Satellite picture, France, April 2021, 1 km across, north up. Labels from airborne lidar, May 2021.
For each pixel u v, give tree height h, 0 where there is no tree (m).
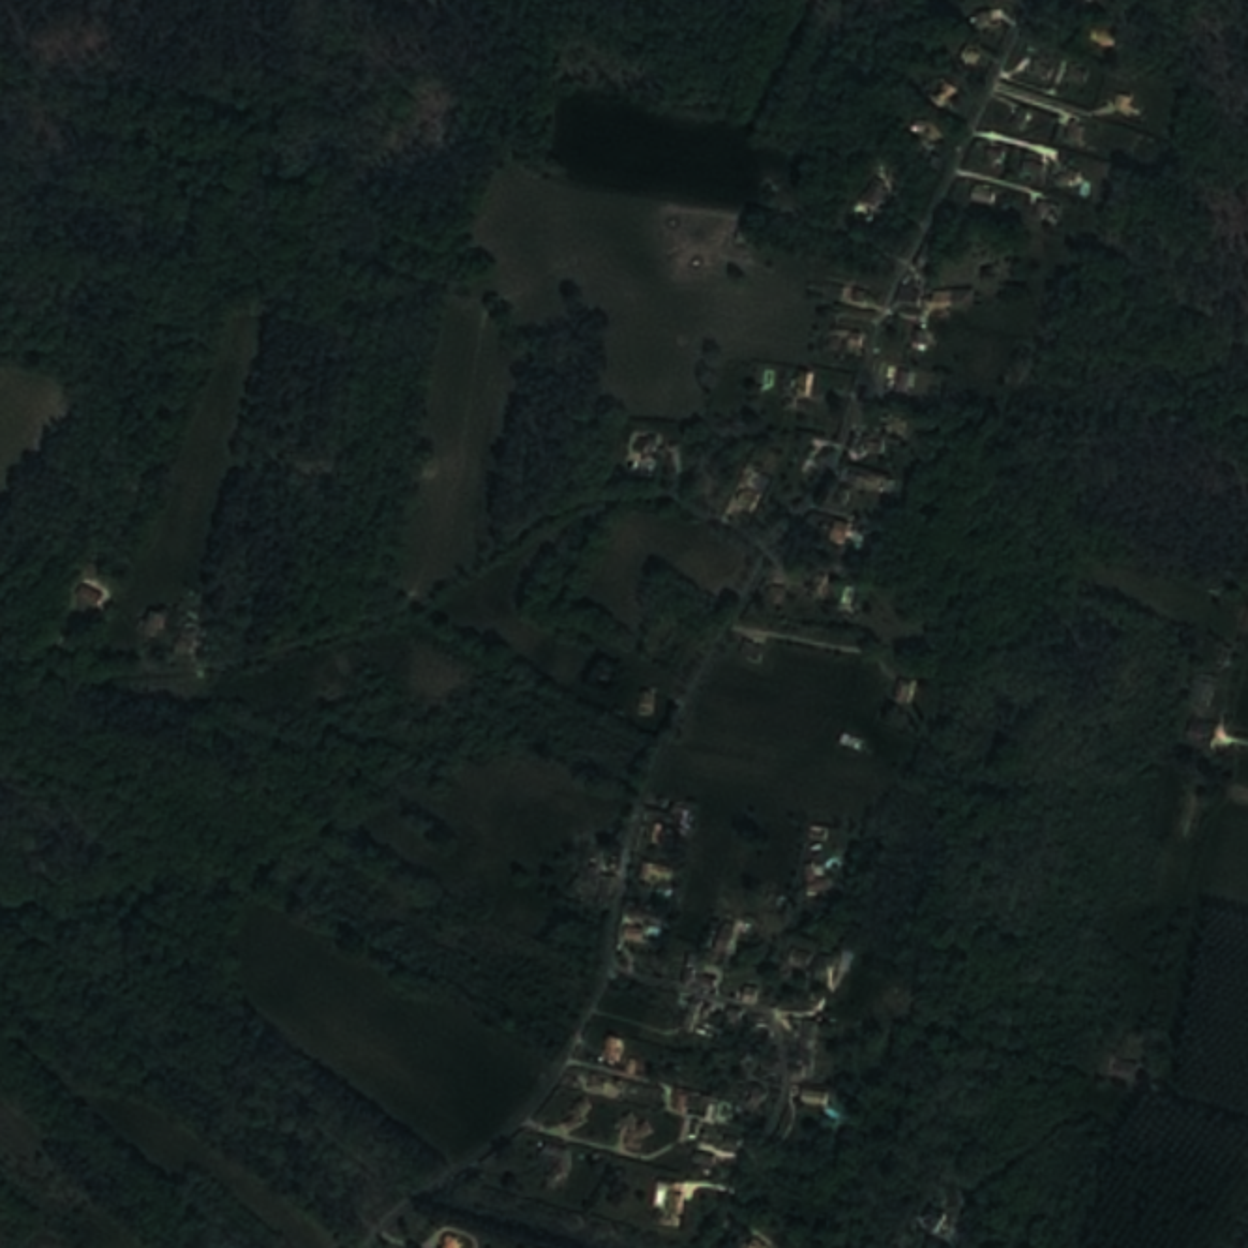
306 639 12
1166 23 21
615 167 0
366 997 0
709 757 0
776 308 0
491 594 0
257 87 12
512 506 17
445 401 0
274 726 12
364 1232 13
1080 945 12
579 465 20
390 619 17
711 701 0
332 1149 17
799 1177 9
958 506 23
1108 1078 6
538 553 0
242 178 21
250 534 16
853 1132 10
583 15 21
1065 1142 11
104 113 28
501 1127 0
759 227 15
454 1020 0
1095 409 11
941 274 11
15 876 23
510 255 0
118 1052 26
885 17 7
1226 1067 23
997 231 21
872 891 23
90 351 14
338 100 15
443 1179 15
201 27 20
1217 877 0
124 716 19
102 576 12
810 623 7
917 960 18
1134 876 8
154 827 17
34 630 23
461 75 22
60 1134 18
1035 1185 12
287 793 20
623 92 12
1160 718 7
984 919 20
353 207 17
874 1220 18
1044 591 26
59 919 28
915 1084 16
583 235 0
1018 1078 18
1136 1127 18
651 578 13
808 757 0
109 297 13
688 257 0
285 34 21
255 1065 21
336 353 16
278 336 14
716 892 0
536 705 9
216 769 14
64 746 20
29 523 14
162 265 15
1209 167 14
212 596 7
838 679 0
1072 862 7
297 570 19
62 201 19
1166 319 22
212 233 20
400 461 15
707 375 15
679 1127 8
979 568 23
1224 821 0
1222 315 21
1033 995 7
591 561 18
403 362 18
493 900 9
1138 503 19
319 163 22
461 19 25
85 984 15
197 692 0
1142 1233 23
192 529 0
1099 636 29
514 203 0
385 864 22
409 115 7
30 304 16
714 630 16
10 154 15
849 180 17
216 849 22
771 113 21
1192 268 15
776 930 0
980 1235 17
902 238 19
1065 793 12
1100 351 23
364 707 15
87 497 17
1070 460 18
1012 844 21
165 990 21
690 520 8
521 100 20
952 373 10
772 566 12
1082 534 24
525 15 24
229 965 19
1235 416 23
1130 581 0
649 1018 0
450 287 10
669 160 0
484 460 0
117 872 24
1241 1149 28
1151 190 22
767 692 0
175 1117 17
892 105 16
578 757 7
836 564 22
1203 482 14
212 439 0
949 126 14
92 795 18
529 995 7
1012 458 23
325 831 12
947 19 24
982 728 14
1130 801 8
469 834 0
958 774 20
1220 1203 27
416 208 23
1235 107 8
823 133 18
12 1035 14
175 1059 21
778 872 0
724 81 20
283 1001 0
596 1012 0
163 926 19
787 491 9
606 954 11
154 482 23
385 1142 17
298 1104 13
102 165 17
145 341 15
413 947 11
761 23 23
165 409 10
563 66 16
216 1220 16
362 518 16
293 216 19
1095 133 0
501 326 17
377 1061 0
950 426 18
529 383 19
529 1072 0
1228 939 18
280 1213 0
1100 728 15
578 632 8
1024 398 8
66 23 20
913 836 19
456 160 9
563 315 0
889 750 0
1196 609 0
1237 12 19
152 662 11
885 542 18
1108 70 6
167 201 20
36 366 17
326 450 13
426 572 0
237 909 15
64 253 17
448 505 0
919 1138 21
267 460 12
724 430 14
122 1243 0
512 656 8
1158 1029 11
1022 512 28
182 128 25
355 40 18
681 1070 6
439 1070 0
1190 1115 24
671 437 0
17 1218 9
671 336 0
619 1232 10
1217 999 21
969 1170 22
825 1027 9
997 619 24
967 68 14
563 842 0
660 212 0
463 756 9
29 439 0
